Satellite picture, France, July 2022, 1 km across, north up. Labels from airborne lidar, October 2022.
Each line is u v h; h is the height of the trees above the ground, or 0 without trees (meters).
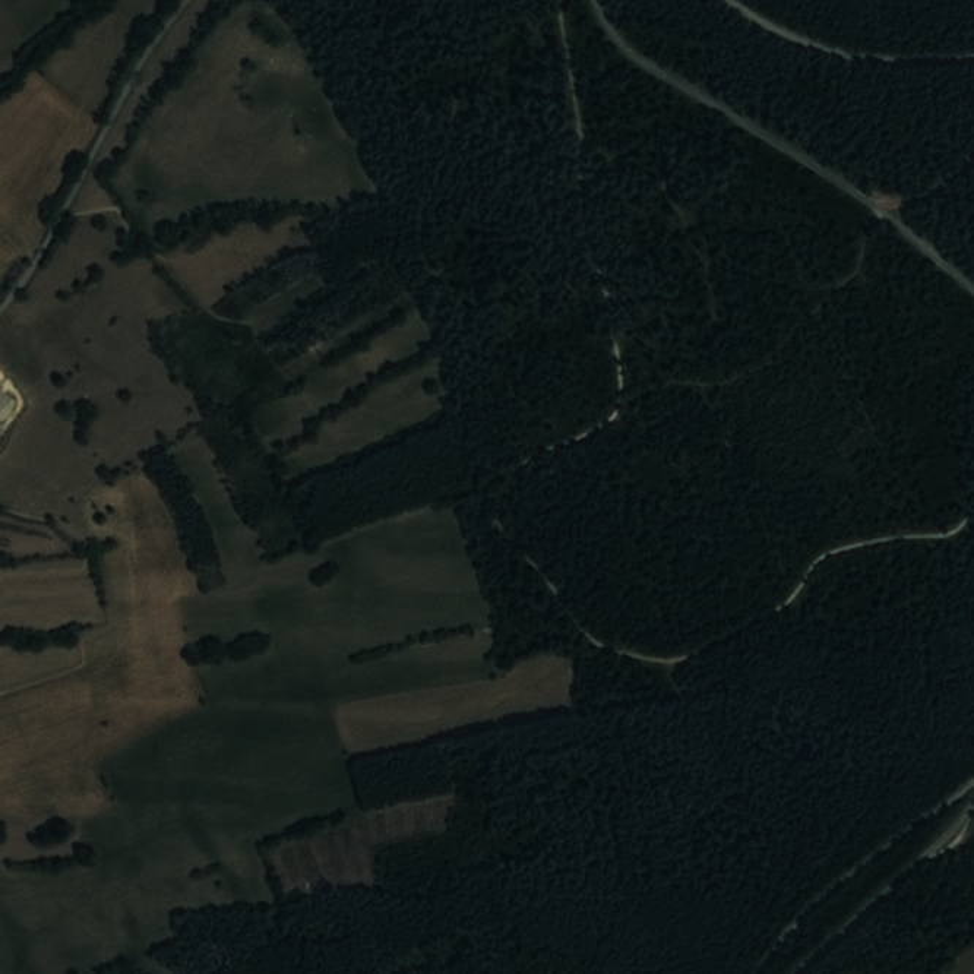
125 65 18
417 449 21
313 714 0
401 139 28
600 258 24
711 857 29
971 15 18
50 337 0
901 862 11
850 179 12
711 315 16
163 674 0
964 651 24
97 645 0
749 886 21
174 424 0
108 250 0
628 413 18
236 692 0
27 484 0
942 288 10
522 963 14
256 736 0
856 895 10
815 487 12
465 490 12
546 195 34
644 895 18
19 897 0
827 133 23
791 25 15
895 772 29
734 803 29
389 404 0
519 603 17
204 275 0
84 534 0
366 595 0
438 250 28
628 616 18
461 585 0
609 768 29
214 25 15
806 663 24
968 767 18
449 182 24
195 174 0
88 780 0
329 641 0
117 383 0
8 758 0
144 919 0
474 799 12
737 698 30
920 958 14
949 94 27
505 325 34
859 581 14
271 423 0
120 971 8
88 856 21
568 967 15
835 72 24
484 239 20
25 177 0
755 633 22
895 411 7
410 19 32
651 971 20
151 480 10
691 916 16
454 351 23
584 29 9
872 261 13
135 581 0
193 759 0
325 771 0
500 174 30
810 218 6
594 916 17
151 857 0
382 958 18
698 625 16
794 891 18
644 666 16
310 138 0
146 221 0
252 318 0
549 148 34
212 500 0
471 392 17
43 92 0
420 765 20
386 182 30
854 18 22
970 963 0
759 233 14
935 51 26
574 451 18
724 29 24
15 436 0
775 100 28
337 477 21
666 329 26
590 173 38
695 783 31
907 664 25
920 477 6
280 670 0
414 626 0
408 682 0
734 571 15
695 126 8
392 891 7
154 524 0
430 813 0
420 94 8
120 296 0
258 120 0
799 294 14
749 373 10
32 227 0
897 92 25
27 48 8
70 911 0
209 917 20
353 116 26
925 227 22
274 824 0
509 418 15
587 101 9
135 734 0
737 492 19
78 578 0
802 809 31
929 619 10
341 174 0
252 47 0
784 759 27
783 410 8
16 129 0
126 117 0
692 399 21
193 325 0
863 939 19
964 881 10
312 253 21
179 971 16
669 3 18
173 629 0
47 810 0
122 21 0
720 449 16
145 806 0
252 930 25
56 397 0
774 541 8
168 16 14
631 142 15
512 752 31
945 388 11
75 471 0
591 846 20
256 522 12
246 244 0
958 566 22
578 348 8
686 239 14
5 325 0
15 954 0
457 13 26
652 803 28
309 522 15
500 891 24
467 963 19
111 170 17
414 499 15
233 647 13
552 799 28
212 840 0
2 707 0
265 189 0
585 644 26
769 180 13
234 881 0
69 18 10
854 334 16
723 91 27
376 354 0
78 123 0
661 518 15
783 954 11
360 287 19
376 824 0
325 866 0
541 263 32
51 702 0
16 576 0
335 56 26
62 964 0
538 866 28
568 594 18
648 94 15
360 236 23
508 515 19
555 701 0
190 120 0
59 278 0
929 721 29
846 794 27
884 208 0
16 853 0
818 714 33
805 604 11
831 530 12
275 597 0
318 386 0
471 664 0
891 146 28
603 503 19
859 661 23
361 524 14
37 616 0
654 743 31
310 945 19
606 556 21
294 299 0
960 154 30
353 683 0
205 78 0
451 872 10
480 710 0
